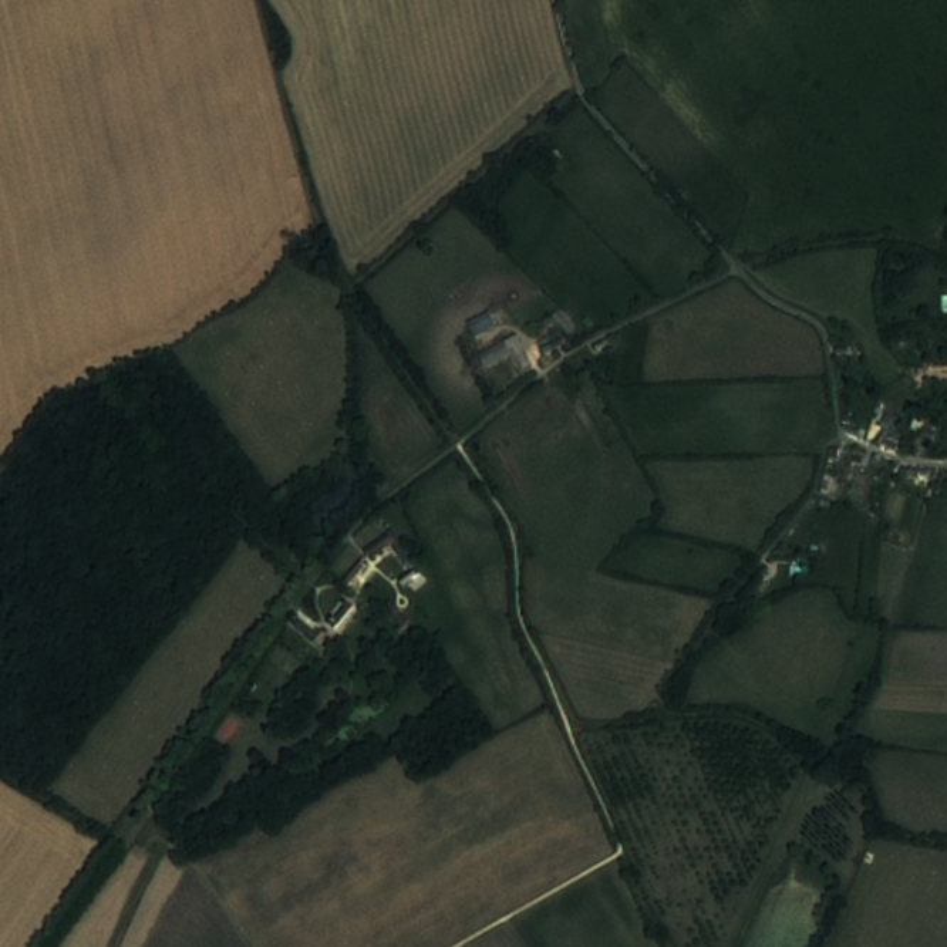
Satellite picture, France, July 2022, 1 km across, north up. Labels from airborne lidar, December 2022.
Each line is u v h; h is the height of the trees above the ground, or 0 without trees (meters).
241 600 0
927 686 0
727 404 0
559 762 0
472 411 0
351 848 0
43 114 0
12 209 0
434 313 0
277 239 0
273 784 27
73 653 17
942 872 0
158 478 19
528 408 0
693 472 0
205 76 0
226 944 0
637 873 8
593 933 0
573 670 0
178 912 0
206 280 0
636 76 0
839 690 0
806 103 0
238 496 14
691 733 8
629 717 8
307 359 0
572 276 0
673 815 0
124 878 0
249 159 0
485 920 0
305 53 0
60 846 0
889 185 0
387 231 0
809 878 0
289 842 0
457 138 0
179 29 0
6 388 0
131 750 0
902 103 0
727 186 0
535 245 0
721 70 0
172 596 14
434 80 0
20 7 0
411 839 0
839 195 0
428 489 0
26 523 21
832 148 0
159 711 0
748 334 0
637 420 0
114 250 0
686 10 0
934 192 0
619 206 0
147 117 0
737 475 0
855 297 0
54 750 18
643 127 0
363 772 21
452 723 22
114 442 15
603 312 0
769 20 0
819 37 0
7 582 10
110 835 9
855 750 23
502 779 0
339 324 0
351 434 10
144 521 15
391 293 0
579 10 0
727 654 0
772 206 0
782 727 9
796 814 0
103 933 0
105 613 10
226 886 0
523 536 8
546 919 0
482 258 0
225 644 0
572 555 0
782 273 0
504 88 0
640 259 0
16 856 0
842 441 0
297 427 0
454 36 0
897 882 0
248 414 0
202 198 0
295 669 0
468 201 10
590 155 0
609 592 0
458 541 0
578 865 0
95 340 0
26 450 19
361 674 11
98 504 21
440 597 0
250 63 0
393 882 0
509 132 0
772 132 0
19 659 14
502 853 0
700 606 0
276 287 0
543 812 0
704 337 0
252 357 0
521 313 0
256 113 0
